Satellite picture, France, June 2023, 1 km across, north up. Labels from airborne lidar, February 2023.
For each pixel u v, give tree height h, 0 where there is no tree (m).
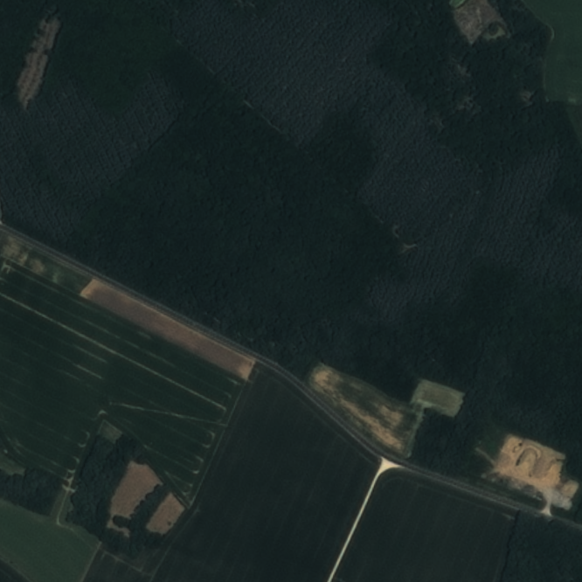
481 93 18
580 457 16
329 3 16
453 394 0
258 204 21
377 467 0
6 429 0
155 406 0
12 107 18
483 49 19
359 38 13
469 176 14
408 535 0
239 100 20
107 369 0
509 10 17
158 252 21
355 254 17
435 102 18
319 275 21
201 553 0
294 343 17
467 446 13
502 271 8
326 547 0
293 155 18
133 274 18
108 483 19
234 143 21
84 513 15
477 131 18
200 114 19
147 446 0
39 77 17
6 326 0
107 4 17
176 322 0
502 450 0
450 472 15
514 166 16
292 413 0
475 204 14
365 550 0
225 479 0
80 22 19
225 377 0
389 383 9
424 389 0
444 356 7
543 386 13
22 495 17
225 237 21
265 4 18
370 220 16
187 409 0
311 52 14
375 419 0
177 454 0
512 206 13
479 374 18
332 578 0
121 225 23
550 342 15
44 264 0
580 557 22
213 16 16
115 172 14
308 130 14
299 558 0
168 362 0
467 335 7
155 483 0
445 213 12
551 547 22
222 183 21
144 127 15
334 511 0
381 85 19
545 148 15
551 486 0
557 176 15
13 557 0
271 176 19
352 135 8
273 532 0
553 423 14
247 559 0
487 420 17
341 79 13
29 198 14
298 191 20
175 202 22
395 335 9
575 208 21
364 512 0
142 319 0
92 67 18
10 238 0
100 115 14
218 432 0
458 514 0
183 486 0
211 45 14
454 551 0
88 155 11
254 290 23
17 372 0
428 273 14
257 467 0
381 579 0
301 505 0
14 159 14
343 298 20
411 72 17
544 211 14
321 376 0
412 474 0
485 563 0
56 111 13
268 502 0
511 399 15
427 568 0
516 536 19
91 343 0
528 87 18
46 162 14
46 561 0
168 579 0
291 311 20
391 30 16
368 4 16
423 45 18
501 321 12
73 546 0
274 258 21
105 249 16
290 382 0
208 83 18
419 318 14
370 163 6
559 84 0
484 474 0
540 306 23
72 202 14
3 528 0
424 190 10
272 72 11
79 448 0
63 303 0
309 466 0
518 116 20
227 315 18
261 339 8
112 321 0
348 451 0
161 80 16
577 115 0
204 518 0
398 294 13
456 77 17
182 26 13
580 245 16
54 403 0
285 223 20
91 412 0
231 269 19
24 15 21
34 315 0
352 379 0
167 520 0
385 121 14
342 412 0
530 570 22
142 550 18
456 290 15
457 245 15
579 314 15
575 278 19
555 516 0
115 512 0
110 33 19
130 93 17
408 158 13
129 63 19
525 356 21
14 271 0
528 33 17
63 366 0
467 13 0
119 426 0
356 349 9
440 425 6
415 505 0
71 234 14
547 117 17
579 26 0
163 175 22
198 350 0
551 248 19
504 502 0
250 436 0
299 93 14
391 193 12
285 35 15
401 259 16
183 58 18
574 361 11
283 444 0
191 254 22
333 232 20
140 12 19
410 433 0
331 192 23
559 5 0
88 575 0
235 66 14
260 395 0
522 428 12
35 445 0
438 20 18
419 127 14
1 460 0
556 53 0
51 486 14
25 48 18
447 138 16
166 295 13
